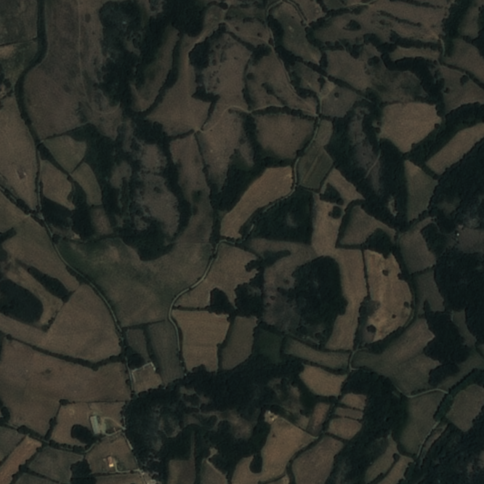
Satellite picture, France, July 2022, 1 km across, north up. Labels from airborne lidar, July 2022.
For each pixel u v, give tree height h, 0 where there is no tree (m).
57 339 0
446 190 12
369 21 0
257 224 8
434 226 9
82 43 0
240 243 7
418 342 0
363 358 0
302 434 0
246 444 7
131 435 11
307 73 0
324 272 12
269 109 10
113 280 0
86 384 0
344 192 0
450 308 12
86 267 0
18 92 7
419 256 0
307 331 11
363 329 0
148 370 0
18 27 0
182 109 0
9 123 0
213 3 6
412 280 6
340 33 0
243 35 0
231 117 0
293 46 0
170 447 9
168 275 0
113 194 7
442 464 7
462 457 8
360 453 17
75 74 0
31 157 0
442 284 14
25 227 0
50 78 0
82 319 0
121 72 14
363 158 0
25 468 13
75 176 0
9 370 0
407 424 0
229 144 0
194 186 0
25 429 14
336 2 0
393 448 0
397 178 22
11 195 6
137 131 7
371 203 14
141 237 8
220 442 7
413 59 10
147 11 0
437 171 0
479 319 20
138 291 0
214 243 7
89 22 0
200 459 11
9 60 0
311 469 0
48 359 0
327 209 0
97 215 0
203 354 0
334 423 0
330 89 0
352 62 0
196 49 9
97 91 0
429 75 12
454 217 6
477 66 0
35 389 0
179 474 0
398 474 0
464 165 11
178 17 11
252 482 0
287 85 0
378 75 0
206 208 0
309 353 0
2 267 0
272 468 0
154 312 0
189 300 0
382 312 0
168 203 0
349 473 7
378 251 11
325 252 0
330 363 0
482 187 9
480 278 7
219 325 0
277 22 12
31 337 0
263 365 9
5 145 0
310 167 0
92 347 0
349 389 11
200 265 0
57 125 0
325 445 0
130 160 8
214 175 0
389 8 0
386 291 0
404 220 14
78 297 0
